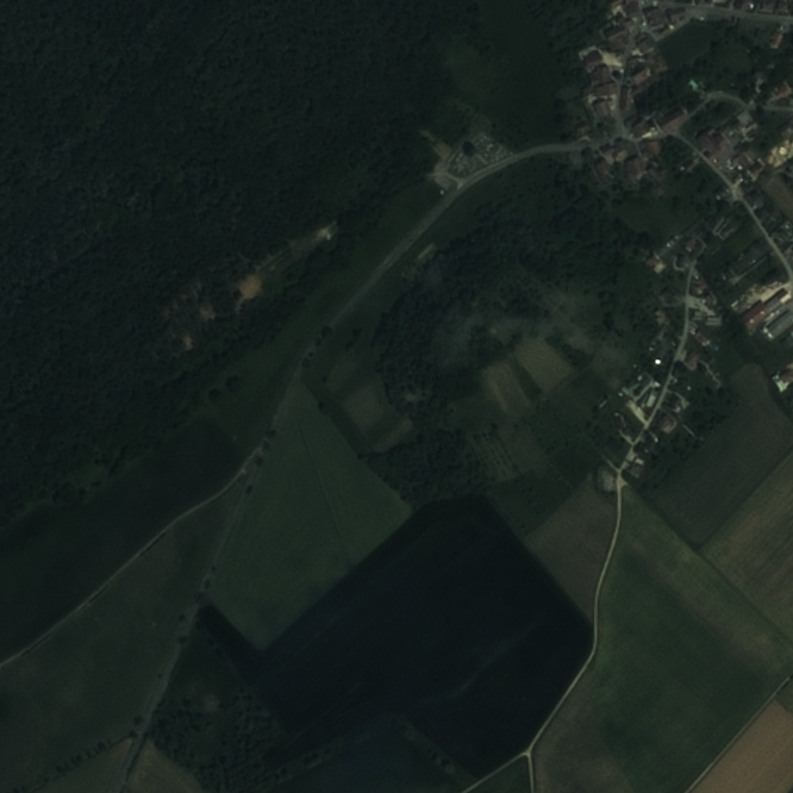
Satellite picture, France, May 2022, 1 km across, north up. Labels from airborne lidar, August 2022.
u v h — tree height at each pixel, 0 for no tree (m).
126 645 0
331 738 0
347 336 0
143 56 17
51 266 23
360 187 8
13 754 0
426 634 0
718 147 0
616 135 0
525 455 0
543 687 0
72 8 19
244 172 19
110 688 0
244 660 0
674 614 0
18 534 0
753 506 0
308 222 14
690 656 0
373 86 17
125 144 17
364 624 0
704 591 0
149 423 20
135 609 0
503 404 0
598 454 0
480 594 0
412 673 0
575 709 0
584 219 16
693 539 0
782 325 0
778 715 0
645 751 0
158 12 20
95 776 0
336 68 16
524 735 0
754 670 0
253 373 0
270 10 15
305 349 0
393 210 0
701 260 8
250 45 16
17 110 15
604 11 5
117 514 0
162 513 0
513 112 0
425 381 14
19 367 10
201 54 9
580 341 0
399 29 13
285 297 13
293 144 16
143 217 17
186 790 0
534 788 0
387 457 7
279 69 16
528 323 15
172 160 18
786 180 11
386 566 0
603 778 0
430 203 0
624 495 0
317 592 0
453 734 0
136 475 0
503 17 0
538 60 0
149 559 0
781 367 0
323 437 0
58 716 0
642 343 5
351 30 18
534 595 0
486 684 0
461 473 17
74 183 16
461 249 16
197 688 0
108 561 0
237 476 0
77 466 18
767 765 0
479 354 18
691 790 0
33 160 20
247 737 7
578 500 0
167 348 14
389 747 0
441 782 0
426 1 13
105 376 11
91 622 0
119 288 9
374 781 0
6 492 18
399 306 12
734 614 0
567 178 6
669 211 0
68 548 0
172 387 12
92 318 6
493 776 0
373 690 0
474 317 17
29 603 0
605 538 0
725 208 16
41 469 11
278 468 0
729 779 0
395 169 14
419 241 0
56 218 19
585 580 0
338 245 11
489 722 0
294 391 0
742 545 0
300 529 0
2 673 0
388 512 0
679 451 7
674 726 0
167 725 18
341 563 0
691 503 0
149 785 0
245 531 0
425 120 18
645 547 0
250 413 0
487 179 0
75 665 0
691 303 0
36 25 17
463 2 23
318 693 0
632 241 10
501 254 10
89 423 7
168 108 17
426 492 21
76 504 21
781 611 0
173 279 16
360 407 0
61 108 13
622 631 0
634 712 0
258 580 0
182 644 12
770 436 0
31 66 20
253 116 18
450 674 0
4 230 18
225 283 16
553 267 15
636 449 10
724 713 0
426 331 15
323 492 0
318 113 16
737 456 0
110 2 19
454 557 0
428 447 16
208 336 15
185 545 0
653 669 0
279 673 0
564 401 0
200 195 17
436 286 24
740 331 11
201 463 0
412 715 0
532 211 0
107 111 9
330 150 18
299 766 0
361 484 0
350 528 0
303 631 0
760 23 0
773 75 6
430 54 16
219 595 0
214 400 12
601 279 7
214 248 16
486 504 0
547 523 0
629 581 0
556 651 0
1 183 23
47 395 12
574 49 6
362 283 0
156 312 16
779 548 0
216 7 17
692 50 0
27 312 16
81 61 11
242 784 12
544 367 0
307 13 15
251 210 22
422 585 0
